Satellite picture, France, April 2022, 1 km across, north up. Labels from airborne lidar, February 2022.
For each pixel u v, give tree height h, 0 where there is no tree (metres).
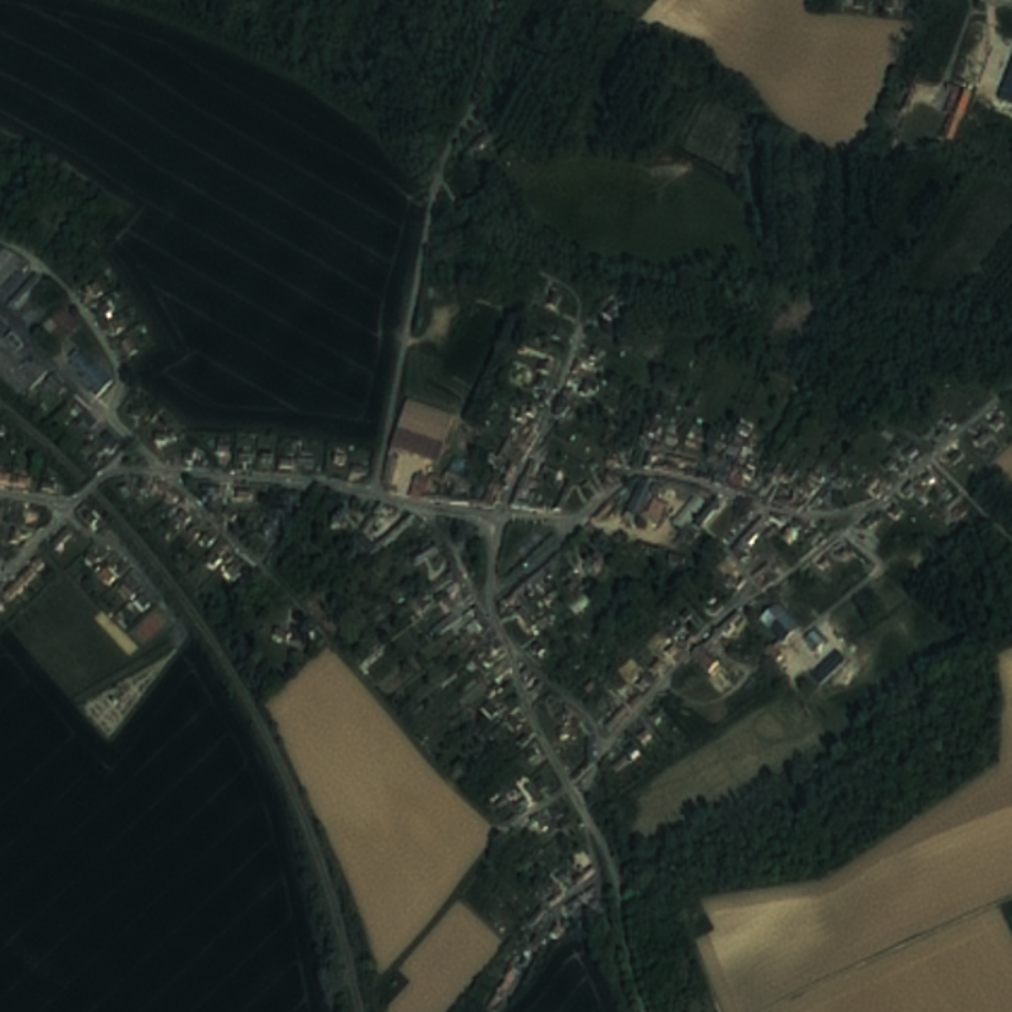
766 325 9
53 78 0
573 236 0
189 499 0
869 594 0
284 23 14
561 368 0
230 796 0
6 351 0
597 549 12
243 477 0
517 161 0
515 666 0
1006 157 0
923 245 8
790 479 0
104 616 0
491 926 0
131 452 18
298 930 0
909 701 28
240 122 0
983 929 0
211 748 0
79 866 0
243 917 0
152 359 0
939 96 0
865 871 0
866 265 41
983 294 7
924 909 0
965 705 17
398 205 0
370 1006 15
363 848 0
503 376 8
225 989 0
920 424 13
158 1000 0
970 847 0
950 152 15
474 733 10
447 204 10
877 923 0
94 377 0
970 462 0
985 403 0
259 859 0
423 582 11
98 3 0
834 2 8
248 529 18
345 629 27
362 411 0
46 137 0
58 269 9
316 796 0
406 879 0
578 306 0
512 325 11
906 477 0
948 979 0
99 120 0
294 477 0
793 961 0
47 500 0
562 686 10
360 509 10
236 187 0
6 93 0
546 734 0
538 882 8
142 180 0
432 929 0
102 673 0
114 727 0
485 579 0
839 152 7
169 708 0
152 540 12
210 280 0
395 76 32
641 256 0
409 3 16
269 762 0
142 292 0
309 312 0
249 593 15
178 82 0
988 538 20
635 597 17
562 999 0
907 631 0
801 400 10
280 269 0
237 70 0
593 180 0
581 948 0
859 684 0
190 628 11
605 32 14
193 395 0
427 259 8
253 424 0
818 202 12
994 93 0
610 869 0
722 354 7
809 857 17
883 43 0
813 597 0
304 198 0
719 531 0
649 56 35
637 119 34
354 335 0
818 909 0
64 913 0
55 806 0
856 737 11
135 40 0
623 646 18
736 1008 0
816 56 0
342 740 0
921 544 16
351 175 0
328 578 14
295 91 0
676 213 0
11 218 11
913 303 18
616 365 0
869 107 0
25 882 0
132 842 0
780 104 0
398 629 16
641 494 0
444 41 8
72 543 0
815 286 15
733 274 25
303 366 0
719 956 0
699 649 0
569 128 22
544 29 6
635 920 14
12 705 0
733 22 0
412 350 0
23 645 0
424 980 0
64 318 0
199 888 0
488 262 23
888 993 0
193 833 0
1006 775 0
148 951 0
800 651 0
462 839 0
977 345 6
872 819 16
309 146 0
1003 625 12
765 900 0
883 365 13
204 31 8
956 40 0
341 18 24
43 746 0
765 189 38
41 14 0
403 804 0
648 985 15
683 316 29
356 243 0
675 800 0
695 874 16
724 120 0
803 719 0
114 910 0
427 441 0
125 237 0
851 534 0
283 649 0
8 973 0
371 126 7
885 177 40
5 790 0
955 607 27
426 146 28
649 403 15
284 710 0
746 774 0
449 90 7
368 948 20
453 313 0
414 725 0
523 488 0
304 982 0
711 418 0
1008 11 0
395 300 0
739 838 17
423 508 0
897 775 22
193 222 0
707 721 0
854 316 22
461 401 0
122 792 0
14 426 15
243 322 0
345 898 12
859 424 29
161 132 0
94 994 0
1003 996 0
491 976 0
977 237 0
